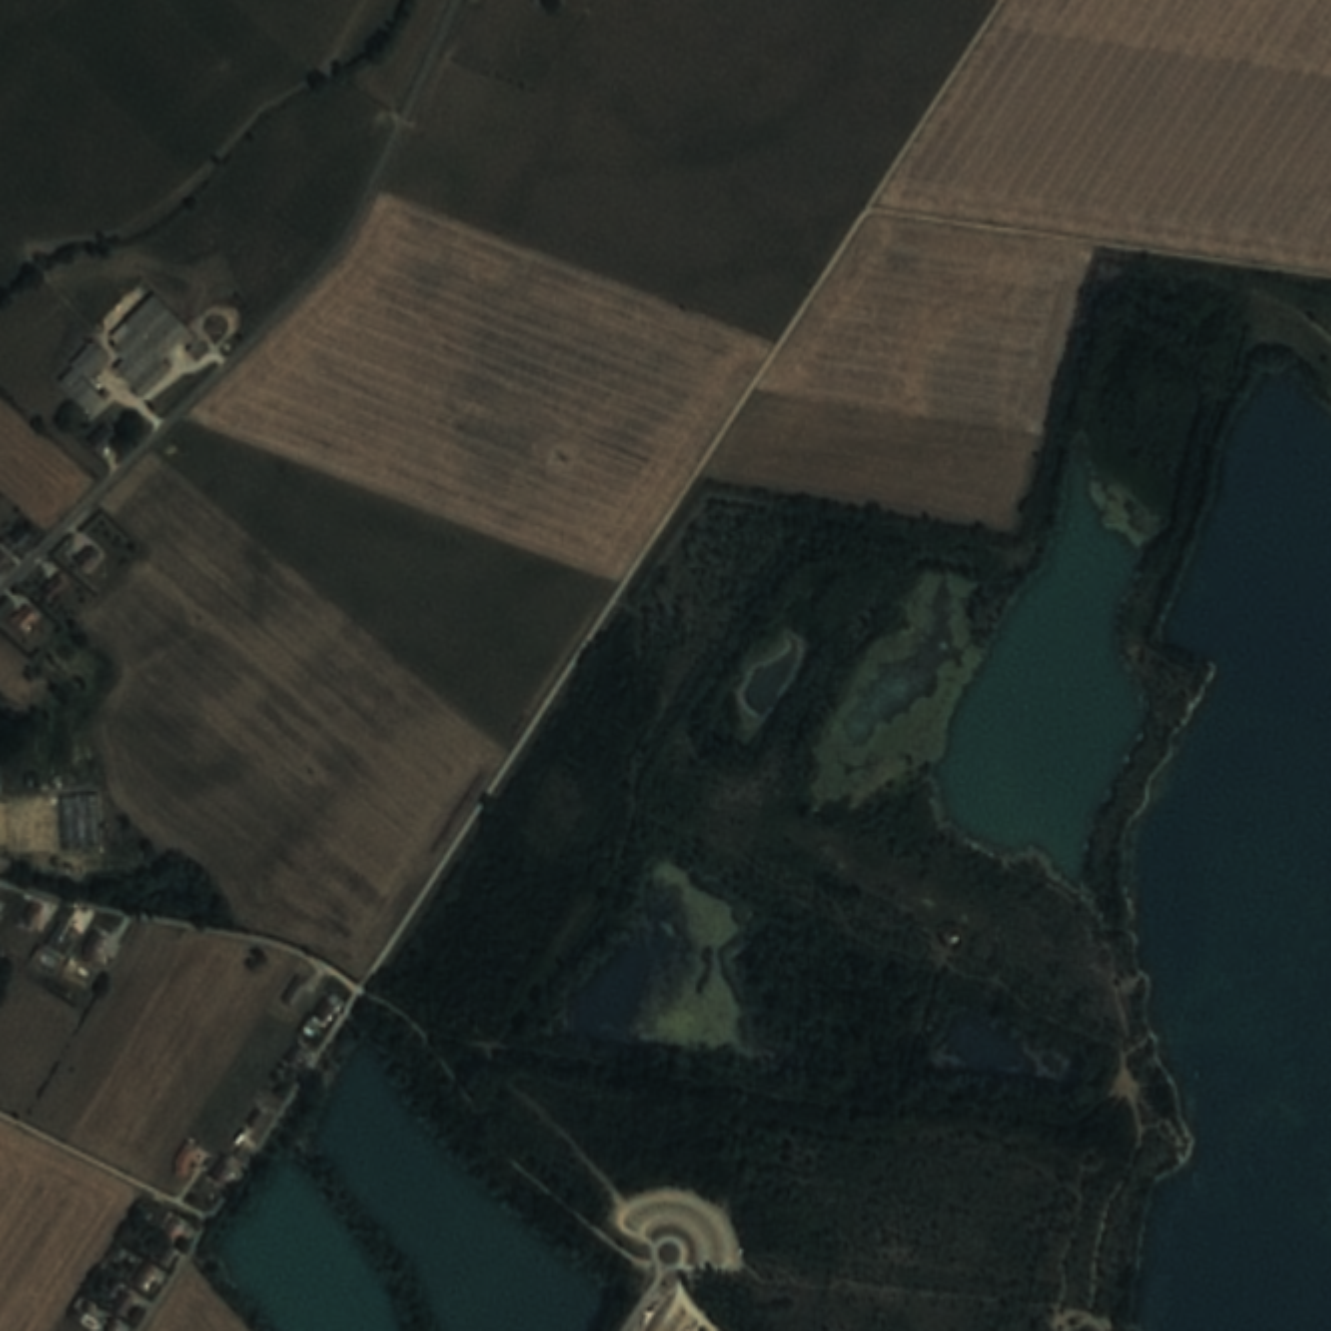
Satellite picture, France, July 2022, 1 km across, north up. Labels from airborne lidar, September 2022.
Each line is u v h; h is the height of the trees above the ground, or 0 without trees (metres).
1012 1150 14
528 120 0
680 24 0
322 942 0
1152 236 0
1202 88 0
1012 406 0
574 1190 7
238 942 0
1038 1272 7
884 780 0
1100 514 0
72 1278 0
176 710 0
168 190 0
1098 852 11
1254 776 0
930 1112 7
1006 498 0
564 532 0
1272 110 0
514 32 0
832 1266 6
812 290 0
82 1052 0
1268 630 0
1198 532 9
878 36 0
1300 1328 0
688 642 6
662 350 0
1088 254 0
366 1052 0
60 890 9
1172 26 0
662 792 8
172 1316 0
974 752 0
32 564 0
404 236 0
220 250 0
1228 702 0
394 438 0
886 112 0
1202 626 0
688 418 0
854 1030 8
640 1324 0
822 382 0
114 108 0
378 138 0
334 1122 0
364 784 0
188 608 0
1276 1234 0
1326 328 0
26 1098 0
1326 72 0
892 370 0
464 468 0
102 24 0
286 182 0
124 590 0
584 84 0
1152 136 0
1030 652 0
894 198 0
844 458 0
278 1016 0
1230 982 0
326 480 0
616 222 0
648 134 0
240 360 0
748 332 0
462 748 0
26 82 0
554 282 0
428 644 0
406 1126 0
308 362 0
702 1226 0
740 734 0
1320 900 0
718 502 9
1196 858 0
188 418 0
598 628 0
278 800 0
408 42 0
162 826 0
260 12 0
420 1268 0
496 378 0
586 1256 16
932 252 0
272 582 0
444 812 0
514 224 0
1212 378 16
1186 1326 0
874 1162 8
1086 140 0
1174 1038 0
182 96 0
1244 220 0
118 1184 0
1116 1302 9
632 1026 0
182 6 0
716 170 0
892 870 0
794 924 19
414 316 0
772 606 16
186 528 0
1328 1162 0
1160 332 17
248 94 0
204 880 15
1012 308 0
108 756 0
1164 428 9
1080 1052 7
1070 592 0
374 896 0
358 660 0
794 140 0
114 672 0
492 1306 0
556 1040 6
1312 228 0
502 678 0
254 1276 0
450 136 0
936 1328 0
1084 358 11
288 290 0
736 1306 11
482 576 0
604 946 24
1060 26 0
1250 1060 0
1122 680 0
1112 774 0
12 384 0
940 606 0
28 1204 0
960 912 0
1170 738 8
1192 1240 0
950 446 0
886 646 0
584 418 0
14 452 0
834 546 11
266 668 0
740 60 0
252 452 0
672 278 0
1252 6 0
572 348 0
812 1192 8
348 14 0
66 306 0
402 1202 0
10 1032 0
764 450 0
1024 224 0
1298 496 0
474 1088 28
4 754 19
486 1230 0
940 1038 8
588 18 0
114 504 0
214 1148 0
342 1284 0
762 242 0
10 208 0
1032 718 0
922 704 0
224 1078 0
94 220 0
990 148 0
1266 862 0
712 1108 11
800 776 7
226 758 0
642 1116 10
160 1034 0
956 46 0
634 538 0
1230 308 6
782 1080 13
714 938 0
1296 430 0
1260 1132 0
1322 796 0
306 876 0
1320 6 0
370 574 0
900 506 0
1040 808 0
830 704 11
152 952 0
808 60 0
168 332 0
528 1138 8
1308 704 0
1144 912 0
